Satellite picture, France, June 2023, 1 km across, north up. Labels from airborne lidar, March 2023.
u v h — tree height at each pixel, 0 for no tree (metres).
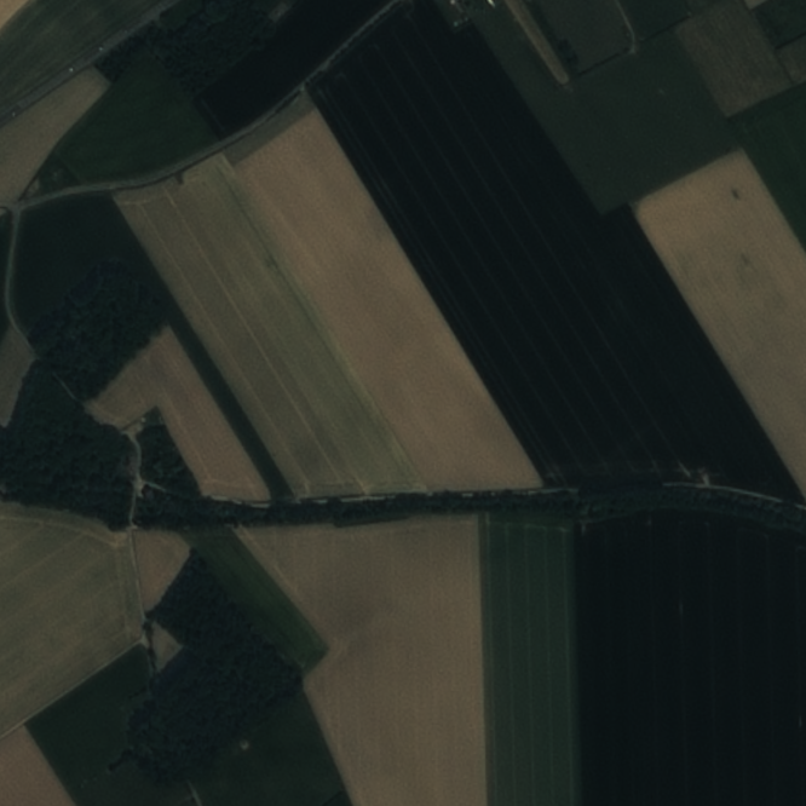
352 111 0
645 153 0
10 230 0
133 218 0
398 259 0
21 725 0
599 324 0
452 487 0
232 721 20
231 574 0
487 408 0
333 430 0
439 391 0
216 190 0
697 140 0
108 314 24
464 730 0
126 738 0
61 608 0
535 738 0
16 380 0
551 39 0
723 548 0
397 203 0
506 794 0
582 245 0
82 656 0
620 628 0
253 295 0
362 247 0
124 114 0
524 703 0
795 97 0
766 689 0
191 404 0
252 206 0
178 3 0
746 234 0
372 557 0
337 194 0
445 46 0
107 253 0
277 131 0
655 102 0
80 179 0
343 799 0
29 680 0
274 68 0
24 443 11
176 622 21
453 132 0
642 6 0
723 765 0
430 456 0
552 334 0
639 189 0
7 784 0
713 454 0
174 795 0
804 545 0
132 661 0
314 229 0
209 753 25
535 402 0
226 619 25
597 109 0
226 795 0
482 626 0
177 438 0
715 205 0
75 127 0
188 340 0
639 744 0
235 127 0
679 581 0
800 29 0
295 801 0
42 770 0
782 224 0
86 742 0
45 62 0
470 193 0
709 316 0
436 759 0
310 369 0
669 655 0
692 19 0
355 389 0
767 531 0
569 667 0
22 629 0
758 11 0
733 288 0
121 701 0
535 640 0
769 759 0
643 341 0
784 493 0
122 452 10
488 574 0
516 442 0
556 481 0
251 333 0
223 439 0
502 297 0
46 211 0
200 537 0
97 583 0
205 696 23
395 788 0
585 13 0
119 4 0
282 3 0
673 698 0
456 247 0
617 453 0
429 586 0
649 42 0
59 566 0
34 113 0
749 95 0
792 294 0
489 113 0
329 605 0
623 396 0
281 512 14
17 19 0
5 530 0
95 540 0
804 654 0
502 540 0
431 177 0
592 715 0
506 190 0
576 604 0
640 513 0
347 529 0
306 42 0
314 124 0
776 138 0
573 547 0
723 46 0
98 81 0
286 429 0
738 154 0
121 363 17
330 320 0
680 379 0
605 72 0
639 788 0
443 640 0
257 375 0
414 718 0
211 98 0
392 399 0
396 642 0
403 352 0
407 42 0
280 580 0
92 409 0
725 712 0
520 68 0
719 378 0
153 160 0
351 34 0
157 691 28
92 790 0
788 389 0
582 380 0
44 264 0
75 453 11
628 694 0
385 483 0
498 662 0
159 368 0
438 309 0
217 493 0
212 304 0
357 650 0
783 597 0
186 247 0
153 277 0
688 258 0
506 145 0
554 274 0
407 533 0
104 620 0
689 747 0
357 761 0
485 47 0
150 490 8
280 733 0
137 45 16
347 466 0
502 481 0
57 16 0
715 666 0
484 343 0
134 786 0
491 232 0
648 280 0
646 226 0
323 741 0
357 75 0
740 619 0
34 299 0
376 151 0
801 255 0
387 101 0
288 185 0
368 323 0
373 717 0
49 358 12
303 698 0
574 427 0
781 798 0
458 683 0
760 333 0
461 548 0
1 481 8
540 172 0
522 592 0
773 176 0
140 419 0
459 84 0
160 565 0
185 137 0
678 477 0
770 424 0
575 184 0
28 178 0
